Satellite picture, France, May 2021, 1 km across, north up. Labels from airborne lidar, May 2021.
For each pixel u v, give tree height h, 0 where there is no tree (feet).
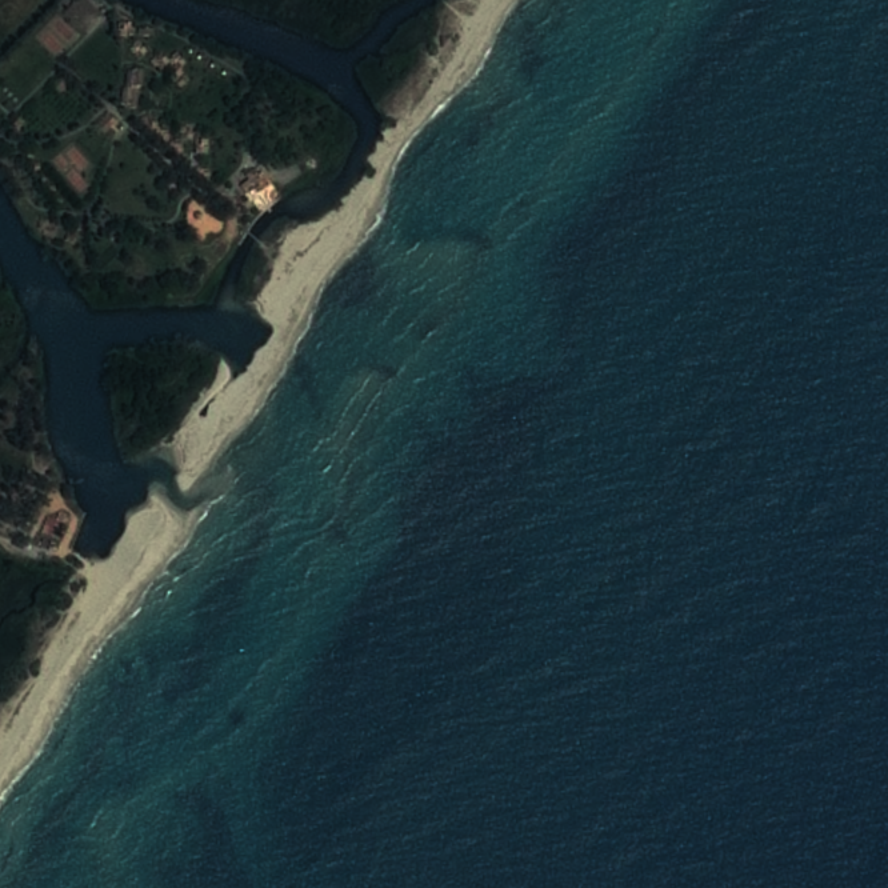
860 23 0
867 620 0
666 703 0
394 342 0
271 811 0
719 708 0
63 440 0
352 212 0
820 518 0
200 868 0
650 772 0
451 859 0
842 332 0
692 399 0
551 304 0
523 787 0
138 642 0
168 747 0
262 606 0
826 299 0
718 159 0
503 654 0
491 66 0
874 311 0
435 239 0
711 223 0
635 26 0
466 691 0
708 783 0
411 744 0
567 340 0
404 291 0
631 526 0
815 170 0
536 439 0
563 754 0
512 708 0
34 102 19
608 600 0
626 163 0
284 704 0
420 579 0
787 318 0
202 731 0
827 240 0
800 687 0
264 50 0
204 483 0
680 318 0
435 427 0
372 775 0
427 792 0
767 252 0
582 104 0
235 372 0
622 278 0
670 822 0
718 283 0
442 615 0
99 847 0
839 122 0
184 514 0
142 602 0
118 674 0
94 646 0
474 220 0
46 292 0
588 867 0
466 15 0
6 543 0
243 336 0
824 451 0
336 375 0
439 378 0
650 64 0
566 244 0
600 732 0
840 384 0
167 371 35
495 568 0
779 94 0
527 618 0
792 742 0
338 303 0
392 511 0
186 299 0
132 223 52
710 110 0
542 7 0
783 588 0
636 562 0
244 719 0
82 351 0
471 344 0
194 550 0
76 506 0
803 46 0
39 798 0
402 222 0
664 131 0
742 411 0
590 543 0
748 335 0
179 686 0
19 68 0
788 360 0
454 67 0
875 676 0
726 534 0
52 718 0
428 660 0
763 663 0
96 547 0
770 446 0
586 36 0
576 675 0
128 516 0
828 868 0
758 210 0
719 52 0
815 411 0
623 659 0
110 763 0
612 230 0
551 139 0
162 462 0
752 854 0
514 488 0
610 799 0
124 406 28
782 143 0
